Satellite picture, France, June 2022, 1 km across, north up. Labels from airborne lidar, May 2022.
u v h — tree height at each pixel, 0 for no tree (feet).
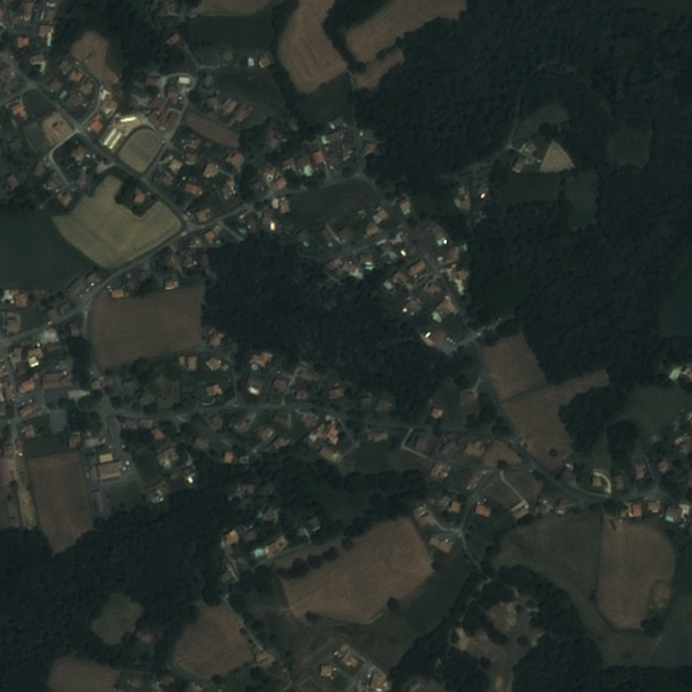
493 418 47
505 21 69
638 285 58
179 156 0
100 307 0
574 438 24
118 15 80
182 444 32
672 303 0
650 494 0
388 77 48
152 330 0
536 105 61
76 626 68
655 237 87
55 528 0
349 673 0
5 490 0
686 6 0
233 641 0
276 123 23
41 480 0
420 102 27
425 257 0
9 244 0
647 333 50
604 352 65
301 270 32
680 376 0
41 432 26
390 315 38
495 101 65
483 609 26
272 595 0
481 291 52
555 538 0
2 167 0
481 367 0
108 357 0
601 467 0
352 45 0
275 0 0
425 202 0
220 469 46
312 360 67
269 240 41
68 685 0
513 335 48
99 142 22
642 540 0
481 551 0
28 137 0
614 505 50
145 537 58
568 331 60
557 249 72
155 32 30
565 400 0
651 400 0
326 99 0
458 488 0
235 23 0
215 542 40
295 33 0
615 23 69
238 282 82
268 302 85
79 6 71
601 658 60
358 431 35
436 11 0
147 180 0
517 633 0
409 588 0
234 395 24
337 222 0
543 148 0
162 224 0
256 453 0
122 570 61
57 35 40
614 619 0
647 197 80
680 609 0
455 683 49
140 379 40
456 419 0
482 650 0
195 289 0
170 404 0
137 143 0
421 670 52
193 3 51
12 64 0
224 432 36
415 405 75
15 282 0
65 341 26
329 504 0
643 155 0
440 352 53
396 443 42
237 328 70
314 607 0
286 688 0
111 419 0
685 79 80
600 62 25
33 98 0
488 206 30
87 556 64
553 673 46
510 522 0
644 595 0
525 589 65
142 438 66
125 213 0
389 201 35
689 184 59
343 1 47
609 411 61
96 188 0
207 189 0
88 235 0
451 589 0
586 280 28
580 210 0
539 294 40
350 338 79
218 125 0
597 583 0
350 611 0
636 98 93
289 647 0
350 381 48
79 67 0
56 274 0
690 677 66
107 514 0
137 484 0
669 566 0
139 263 0
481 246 54
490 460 0
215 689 0
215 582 48
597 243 63
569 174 39
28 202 34
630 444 60
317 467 25
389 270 27
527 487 0
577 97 60
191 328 0
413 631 0
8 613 107
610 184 72
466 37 82
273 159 53
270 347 70
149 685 0
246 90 0
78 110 0
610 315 43
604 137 56
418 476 45
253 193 42
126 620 0
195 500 95
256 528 34
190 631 0
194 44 28
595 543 0
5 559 95
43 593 91
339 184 0
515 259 32
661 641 0
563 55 54
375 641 0
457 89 72
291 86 47
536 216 59
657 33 65
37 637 80
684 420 0
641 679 40
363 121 32
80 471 0
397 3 0
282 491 36
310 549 0
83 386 60
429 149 70
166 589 74
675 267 59
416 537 0
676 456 0
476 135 82
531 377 0
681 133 67
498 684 0
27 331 0
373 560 0
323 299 65
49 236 0
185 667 0
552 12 47
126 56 37
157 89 29
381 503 73
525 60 23
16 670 76
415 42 56
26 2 0
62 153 0
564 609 50
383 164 61
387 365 86
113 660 57
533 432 0
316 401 31
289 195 25
